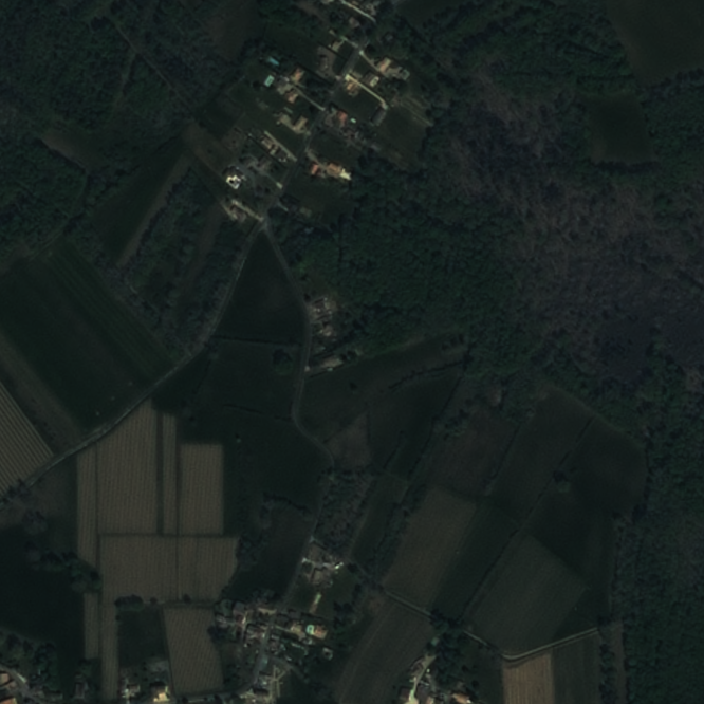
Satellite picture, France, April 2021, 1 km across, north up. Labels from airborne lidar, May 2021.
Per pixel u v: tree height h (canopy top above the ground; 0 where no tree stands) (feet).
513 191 38
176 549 0
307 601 0
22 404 0
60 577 0
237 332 0
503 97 52
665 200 61
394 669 0
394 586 0
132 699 22
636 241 54
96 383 0
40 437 0
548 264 50
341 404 0
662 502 60
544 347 20
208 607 0
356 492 35
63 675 0
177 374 0
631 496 0
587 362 39
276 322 0
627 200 49
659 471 75
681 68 0
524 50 61
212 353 45
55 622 0
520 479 0
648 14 0
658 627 70
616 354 32
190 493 0
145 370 0
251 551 43
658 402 62
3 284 0
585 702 0
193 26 32
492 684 0
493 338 67
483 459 0
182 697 0
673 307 32
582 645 0
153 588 0
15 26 82
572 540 0
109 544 0
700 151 75
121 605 32
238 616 0
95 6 63
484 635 0
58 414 0
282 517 0
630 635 62
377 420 0
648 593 70
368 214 60
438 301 70
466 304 64
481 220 68
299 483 0
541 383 50
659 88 33
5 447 0
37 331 0
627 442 0
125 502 0
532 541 0
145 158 0
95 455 0
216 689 0
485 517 0
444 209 59
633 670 67
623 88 57
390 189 65
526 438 0
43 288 0
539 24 41
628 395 64
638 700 59
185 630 0
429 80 0
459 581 0
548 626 0
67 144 0
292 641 25
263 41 35
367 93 0
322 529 25
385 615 0
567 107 62
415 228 59
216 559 0
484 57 69
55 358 0
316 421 0
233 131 0
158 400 0
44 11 64
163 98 52
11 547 0
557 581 0
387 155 0
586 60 66
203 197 18
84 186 57
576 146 74
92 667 29
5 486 0
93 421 0
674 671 65
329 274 68
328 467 0
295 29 49
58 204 64
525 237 61
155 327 54
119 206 0
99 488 0
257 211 0
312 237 53
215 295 45
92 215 37
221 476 0
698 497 71
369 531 0
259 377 0
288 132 0
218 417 0
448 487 0
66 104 77
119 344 0
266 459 0
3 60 69
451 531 0
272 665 0
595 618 0
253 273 0
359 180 53
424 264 77
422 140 0
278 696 0
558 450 0
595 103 0
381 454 0
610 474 0
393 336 76
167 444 0
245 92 0
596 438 0
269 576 0
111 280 58
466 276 81
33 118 51
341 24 39
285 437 0
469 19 70
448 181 73
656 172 66
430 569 0
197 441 0
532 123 47
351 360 31
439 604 0
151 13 23
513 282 75
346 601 0
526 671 0
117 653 0
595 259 26
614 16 0
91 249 54
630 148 0
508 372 48
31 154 59
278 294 0
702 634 64
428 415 0
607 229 39
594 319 34
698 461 85
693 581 62
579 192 33
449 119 64
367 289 74
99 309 0
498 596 0
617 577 28
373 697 0
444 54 61
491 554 0
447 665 47
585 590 0
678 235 38
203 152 0
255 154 0
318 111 19
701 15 0
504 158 31
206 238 0
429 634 0
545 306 28
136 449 0
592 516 0
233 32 0
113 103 56
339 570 0
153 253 47
